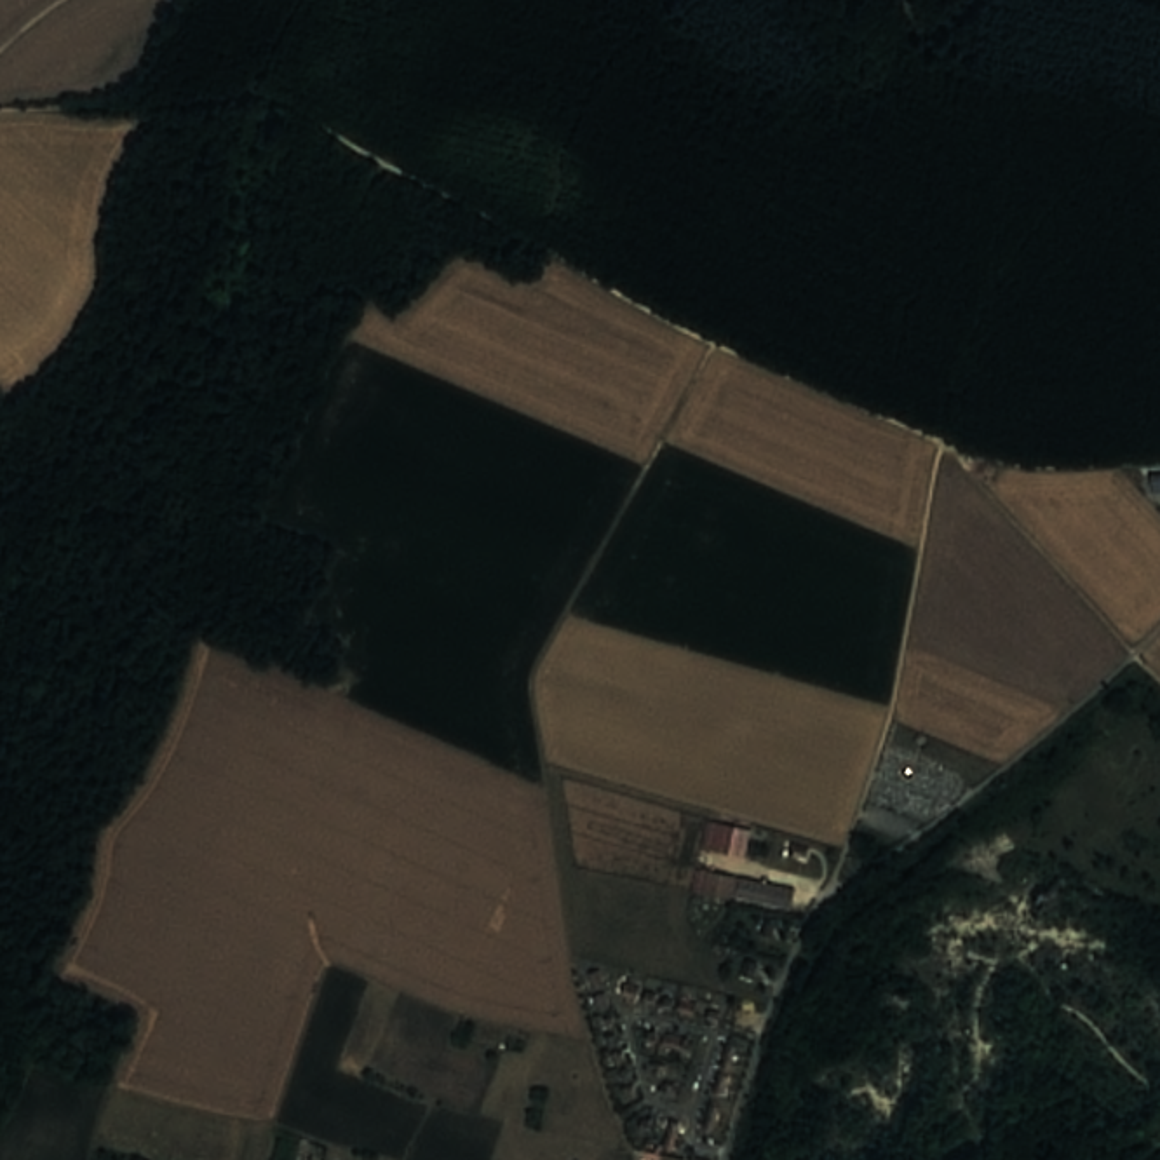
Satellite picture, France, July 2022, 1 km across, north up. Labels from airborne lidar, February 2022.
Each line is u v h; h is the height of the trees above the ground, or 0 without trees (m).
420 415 0
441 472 0
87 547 14
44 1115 0
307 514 0
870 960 12
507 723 0
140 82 17
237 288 6
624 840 0
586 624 0
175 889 0
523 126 6
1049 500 0
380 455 0
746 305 14
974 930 0
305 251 13
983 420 16
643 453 0
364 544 0
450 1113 0
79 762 8
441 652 0
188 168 25
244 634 14
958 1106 0
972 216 14
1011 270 13
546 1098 6
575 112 6
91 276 0
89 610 9
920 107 12
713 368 0
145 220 19
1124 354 14
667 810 0
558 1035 0
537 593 0
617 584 0
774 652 0
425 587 0
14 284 0
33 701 10
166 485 14
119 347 22
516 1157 0
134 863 0
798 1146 11
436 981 0
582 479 0
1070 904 7
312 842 0
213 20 15
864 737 0
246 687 0
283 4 13
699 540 0
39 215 0
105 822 15
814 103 9
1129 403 15
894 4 30
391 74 9
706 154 12
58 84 0
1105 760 0
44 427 19
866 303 13
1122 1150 11
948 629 0
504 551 0
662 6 8
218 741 0
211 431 12
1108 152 13
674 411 0
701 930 0
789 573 0
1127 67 23
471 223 13
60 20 0
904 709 0
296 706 0
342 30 6
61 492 21
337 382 0
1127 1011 9
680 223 13
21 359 0
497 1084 0
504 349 0
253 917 0
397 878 0
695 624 0
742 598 0
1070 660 0
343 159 6
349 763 0
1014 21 27
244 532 15
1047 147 15
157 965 0
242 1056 0
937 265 14
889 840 0
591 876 0
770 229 13
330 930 0
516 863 0
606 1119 0
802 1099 7
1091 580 0
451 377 0
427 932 0
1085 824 0
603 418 0
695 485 0
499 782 0
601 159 11
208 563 13
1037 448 14
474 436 0
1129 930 7
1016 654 0
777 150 11
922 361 14
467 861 0
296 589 16
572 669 0
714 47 20
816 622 0
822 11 27
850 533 0
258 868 0
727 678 0
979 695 0
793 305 14
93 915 0
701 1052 0
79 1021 15
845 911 6
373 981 0
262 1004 0
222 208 22
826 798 0
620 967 0
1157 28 24
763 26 31
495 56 8
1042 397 15
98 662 9
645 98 10
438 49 10
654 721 0
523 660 0
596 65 8
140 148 20
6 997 10
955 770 0
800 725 0
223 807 0
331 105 9
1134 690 10
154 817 0
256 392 13
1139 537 0
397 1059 0
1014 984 6
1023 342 14
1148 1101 9
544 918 0
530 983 0
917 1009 9
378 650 0
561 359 0
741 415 0
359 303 18
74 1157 0
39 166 0
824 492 0
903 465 0
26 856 5
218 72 16
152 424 18
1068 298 13
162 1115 0
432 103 9
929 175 11
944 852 11
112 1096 0
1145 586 0
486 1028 0
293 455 17
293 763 0
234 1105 0
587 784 0
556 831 0
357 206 8
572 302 0
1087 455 14
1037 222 13
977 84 14
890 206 12
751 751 0
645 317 0
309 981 0
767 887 0
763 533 0
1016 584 0
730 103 10
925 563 0
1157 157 14
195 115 22
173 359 13
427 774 0
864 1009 12
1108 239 14
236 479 11
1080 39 26
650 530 0
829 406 0
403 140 7
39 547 20
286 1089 0
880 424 0
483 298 0
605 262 13
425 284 14
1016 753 0
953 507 0
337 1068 0
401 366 0
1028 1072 12
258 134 17
